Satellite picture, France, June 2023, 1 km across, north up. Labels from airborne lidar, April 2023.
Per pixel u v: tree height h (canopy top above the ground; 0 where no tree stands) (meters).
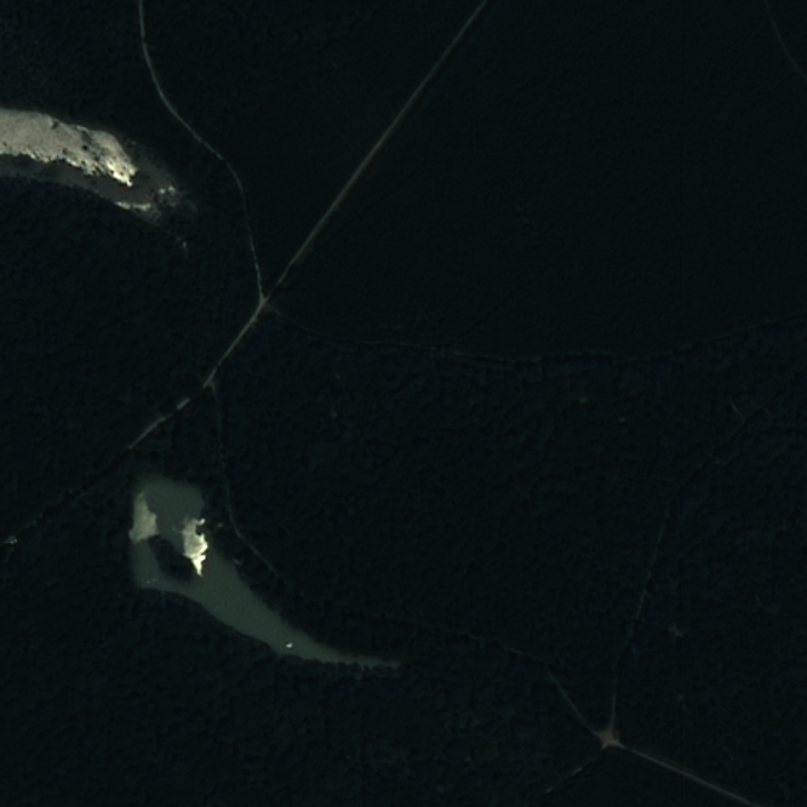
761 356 21
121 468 17
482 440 23
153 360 25
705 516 20
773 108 10
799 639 19
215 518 15
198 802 18
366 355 21
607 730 0
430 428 22
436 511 21
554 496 21
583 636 23
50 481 23
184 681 27
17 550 20
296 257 0
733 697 18
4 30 21
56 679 23
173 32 20
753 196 11
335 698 21
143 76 21
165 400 22
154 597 16
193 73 20
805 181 11
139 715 25
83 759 21
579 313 9
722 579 21
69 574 29
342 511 22
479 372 20
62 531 25
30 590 26
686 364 22
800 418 20
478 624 21
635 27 12
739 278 10
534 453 23
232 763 28
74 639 23
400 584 23
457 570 21
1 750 26
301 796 26
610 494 26
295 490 22
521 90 11
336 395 21
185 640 24
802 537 19
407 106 0
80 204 20
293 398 24
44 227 25
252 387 23
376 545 21
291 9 24
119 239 28
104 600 22
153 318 26
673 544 18
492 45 11
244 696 26
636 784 14
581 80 13
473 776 25
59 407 23
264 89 18
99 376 25
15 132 0
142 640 24
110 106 20
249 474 24
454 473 21
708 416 19
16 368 25
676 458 21
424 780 16
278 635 0
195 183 11
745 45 11
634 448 24
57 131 0
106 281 28
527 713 22
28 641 23
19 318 21
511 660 22
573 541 22
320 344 18
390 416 21
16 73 19
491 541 19
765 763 22
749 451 22
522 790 20
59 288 25
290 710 24
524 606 19
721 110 11
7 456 23
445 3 15
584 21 11
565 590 25
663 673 17
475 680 19
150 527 0
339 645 12
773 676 20
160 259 21
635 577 23
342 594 24
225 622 0
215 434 17
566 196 10
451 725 23
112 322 25
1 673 23
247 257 23
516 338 9
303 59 19
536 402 21
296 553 22
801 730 21
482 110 11
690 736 20
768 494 21
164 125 22
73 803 20
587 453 22
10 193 26
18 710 24
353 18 20
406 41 11
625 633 19
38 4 20
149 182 0
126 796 20
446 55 0
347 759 23
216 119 22
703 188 13
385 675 8
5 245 23
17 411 23
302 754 20
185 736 24
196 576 0
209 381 0
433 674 19
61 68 19
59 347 22
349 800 22
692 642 19
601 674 23
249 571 19
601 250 8
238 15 26
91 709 21
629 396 23
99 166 0
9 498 23
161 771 25
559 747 21
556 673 24
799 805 22
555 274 9
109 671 18
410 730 27
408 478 20
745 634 20
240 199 18
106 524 8
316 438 26
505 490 22
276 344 23
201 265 11
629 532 24
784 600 20
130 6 22
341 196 0
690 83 12
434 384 19
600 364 23
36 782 22
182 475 9
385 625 21
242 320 16
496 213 9
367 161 0
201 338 15
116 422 24
